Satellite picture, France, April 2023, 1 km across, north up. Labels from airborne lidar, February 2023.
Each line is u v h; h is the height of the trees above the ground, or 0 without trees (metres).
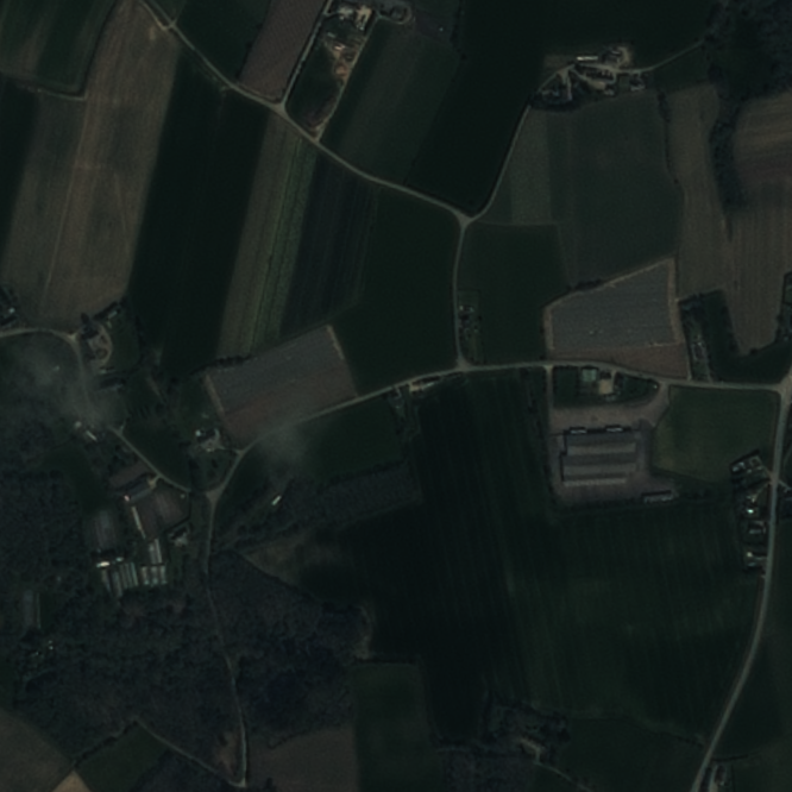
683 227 0
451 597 0
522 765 17
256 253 0
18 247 0
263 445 0
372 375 0
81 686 13
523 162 0
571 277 0
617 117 0
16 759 0
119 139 0
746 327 0
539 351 0
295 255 0
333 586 0
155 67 0
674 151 0
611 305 0
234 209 0
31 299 0
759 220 0
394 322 0
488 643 0
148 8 0
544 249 0
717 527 0
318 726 6
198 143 0
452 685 0
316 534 0
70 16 0
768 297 0
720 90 15
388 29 0
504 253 0
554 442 0
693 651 0
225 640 14
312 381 0
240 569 14
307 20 0
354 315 0
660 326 0
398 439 9
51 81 0
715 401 0
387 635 0
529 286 0
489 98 0
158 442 0
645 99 0
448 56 0
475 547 0
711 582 0
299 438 0
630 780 0
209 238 0
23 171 0
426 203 0
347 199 0
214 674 18
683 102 0
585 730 0
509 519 0
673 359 0
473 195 0
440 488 0
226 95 0
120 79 0
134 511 0
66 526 13
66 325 0
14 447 10
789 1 16
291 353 0
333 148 0
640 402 0
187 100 0
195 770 7
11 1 0
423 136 0
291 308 0
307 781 0
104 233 0
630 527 0
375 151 0
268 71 0
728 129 7
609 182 0
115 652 9
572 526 0
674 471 0
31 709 11
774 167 0
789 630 0
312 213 0
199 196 0
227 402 0
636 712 0
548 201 0
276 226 0
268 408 0
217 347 0
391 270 0
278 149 0
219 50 0
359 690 0
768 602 0
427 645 0
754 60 0
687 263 0
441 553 0
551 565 0
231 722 15
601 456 0
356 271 0
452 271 0
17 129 0
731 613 0
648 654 0
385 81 0
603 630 0
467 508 0
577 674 0
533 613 0
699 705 0
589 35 0
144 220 0
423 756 0
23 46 0
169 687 11
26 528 14
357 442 0
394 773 0
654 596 0
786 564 0
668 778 0
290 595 14
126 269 0
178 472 0
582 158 0
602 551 0
